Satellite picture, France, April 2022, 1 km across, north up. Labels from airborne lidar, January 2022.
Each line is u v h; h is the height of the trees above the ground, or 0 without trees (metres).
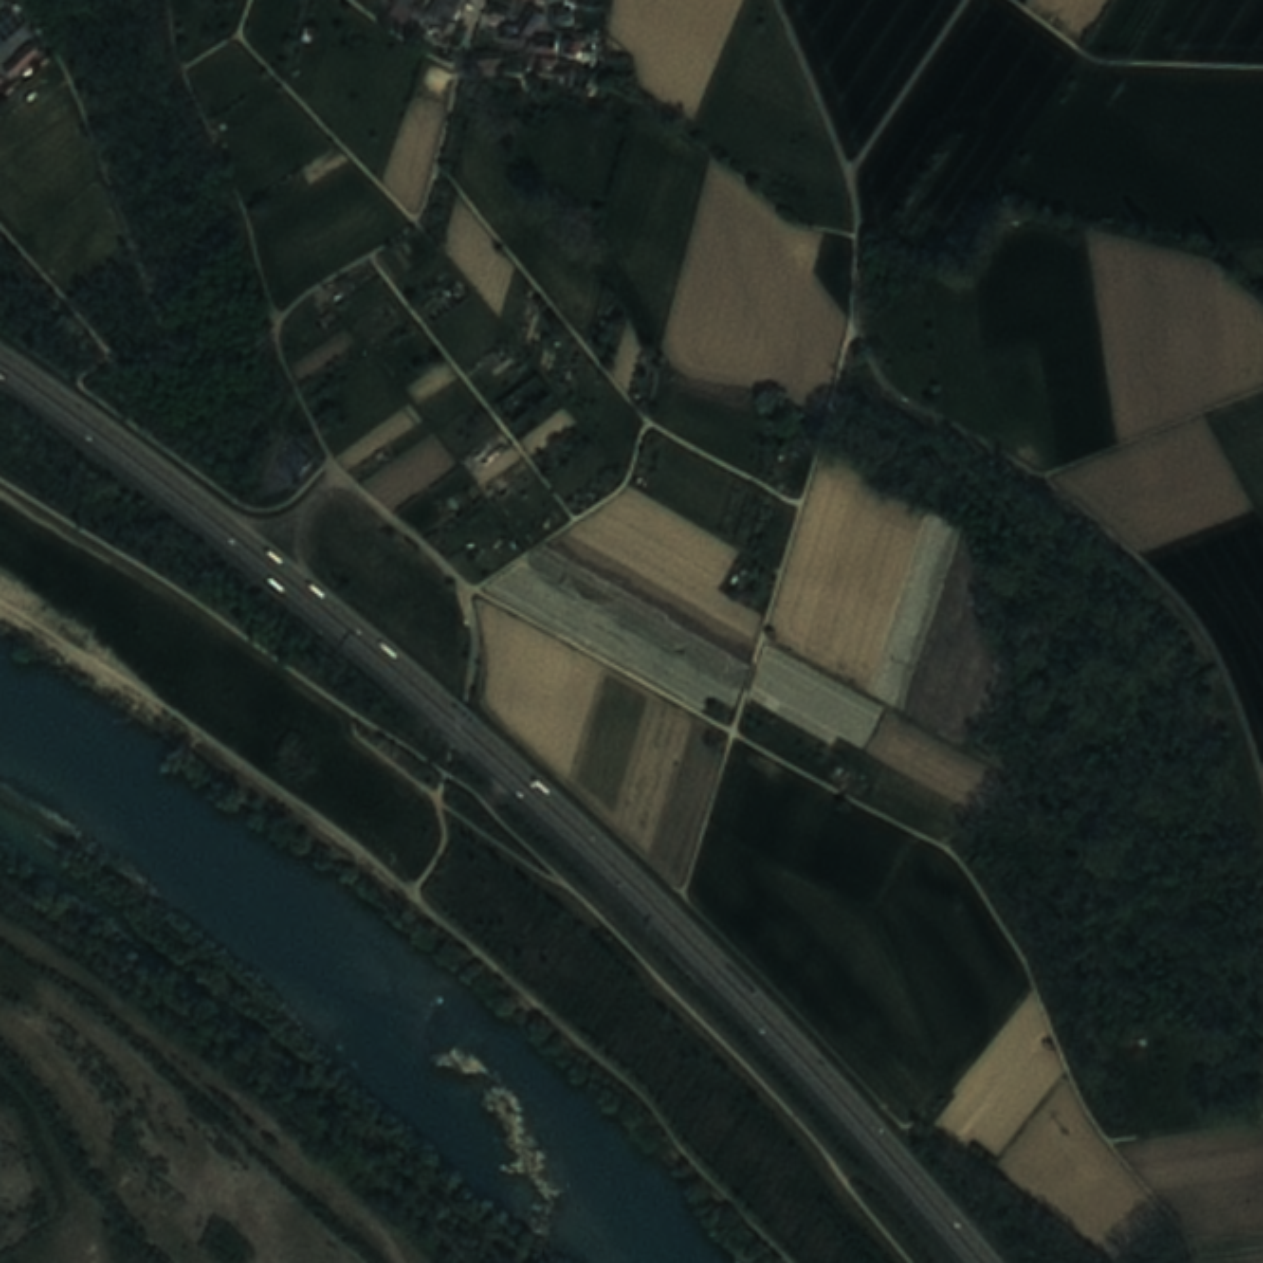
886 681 0
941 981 0
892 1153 0
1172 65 0
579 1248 0
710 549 0
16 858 9
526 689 0
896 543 0
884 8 0
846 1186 0
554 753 0
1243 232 0
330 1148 19
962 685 0
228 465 19
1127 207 0
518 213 0
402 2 0
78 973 0
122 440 0
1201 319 0
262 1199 0
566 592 0
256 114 0
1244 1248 0
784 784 0
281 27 0
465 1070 0
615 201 0
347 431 0
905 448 29
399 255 0
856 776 0
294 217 0
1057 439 0
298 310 0
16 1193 0
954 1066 0
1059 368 0
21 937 0
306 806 0
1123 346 0
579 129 0
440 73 0
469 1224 9
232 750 0
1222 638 0
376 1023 0
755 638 0
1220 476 0
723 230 0
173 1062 0
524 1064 0
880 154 0
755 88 0
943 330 0
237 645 0
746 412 0
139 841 0
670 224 0
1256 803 0
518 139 29
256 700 0
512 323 0
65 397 0
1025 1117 0
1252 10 0
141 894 11
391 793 0
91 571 0
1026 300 0
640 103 0
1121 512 0
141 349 20
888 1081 0
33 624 0
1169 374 0
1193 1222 0
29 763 0
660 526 0
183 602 0
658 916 0
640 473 0
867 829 0
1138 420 0
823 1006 0
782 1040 0
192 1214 0
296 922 0
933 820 0
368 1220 0
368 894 13
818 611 0
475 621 0
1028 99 0
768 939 0
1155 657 40
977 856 0
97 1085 0
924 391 0
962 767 0
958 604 0
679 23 0
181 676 0
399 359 0
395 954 0
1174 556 0
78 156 0
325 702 0
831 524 0
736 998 0
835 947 0
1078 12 0
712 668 0
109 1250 0
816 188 0
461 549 0
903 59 0
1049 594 0
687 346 0
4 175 0
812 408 0
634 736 0
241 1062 16
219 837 0
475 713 0
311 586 0
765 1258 12
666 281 0
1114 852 41
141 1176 0
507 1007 14
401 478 0
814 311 0
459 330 0
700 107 0
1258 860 34
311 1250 0
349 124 0
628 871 0
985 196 0
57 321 20
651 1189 0
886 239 20
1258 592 0
